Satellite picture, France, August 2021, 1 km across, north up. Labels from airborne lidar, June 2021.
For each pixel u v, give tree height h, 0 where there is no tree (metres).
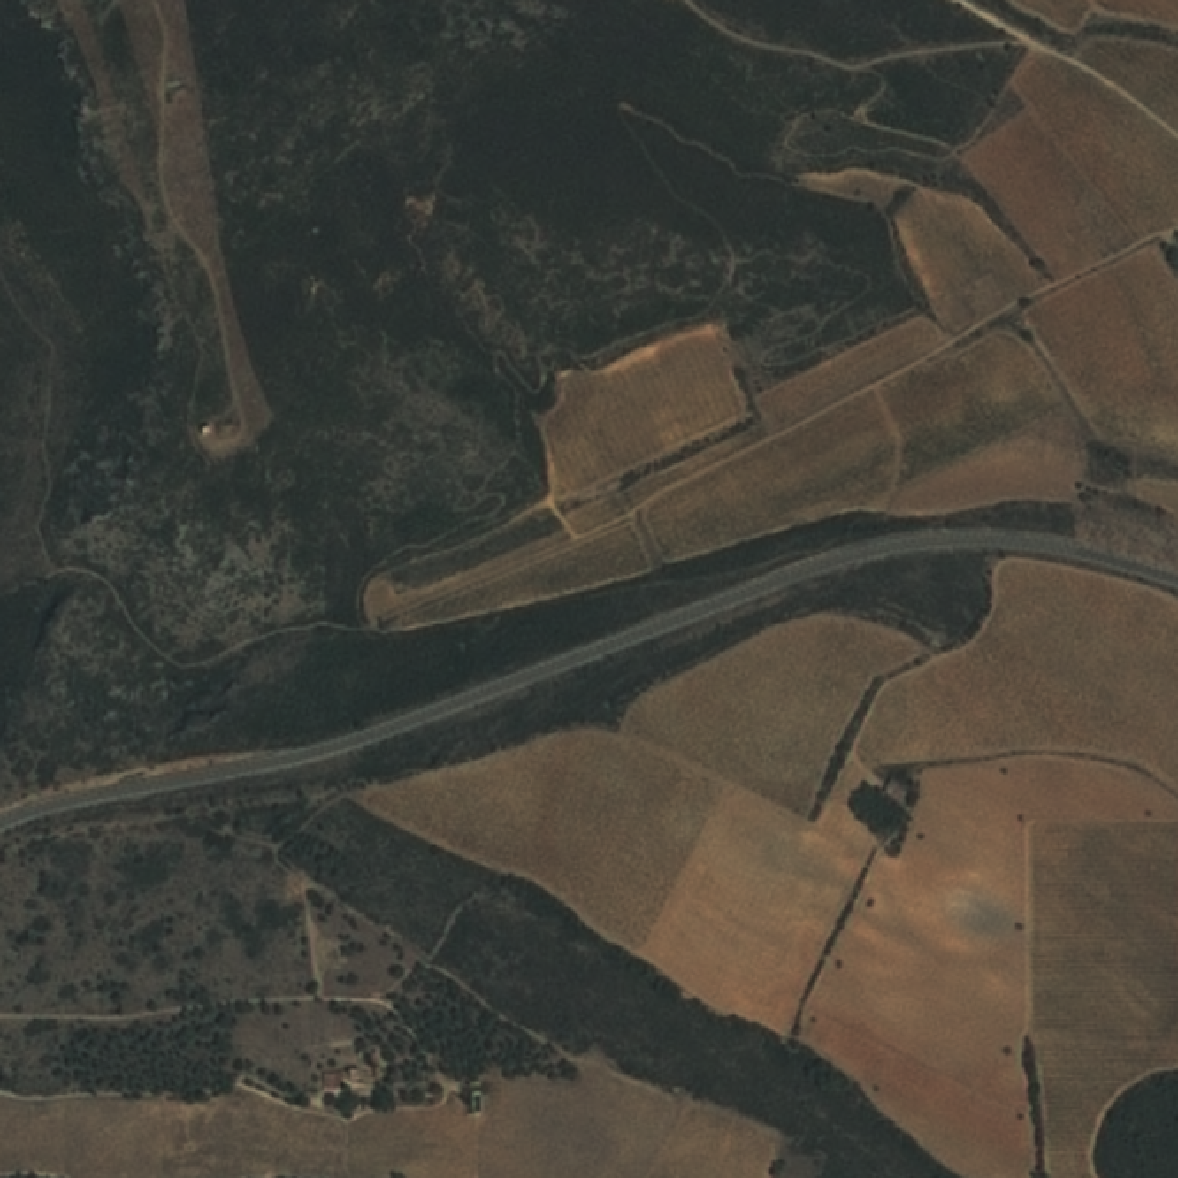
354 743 0
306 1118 0
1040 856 0
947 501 0
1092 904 0
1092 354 0
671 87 0
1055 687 0
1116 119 0
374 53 0
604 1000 0
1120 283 0
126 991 8
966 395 0
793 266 0
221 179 0
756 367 0
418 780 0
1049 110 0
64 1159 0
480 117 0
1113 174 0
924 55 0
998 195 0
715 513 0
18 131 0
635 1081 0
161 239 0
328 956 0
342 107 0
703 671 0
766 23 0
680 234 0
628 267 0
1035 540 0
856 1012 0
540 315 0
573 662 0
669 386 0
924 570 0
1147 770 0
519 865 0
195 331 0
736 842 0
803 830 0
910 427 0
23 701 0
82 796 0
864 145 0
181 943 0
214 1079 13
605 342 0
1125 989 0
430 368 0
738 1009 0
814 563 0
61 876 0
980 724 0
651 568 0
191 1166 0
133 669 0
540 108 0
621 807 0
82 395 0
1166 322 0
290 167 0
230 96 0
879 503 0
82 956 0
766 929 0
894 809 11
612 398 0
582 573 0
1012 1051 0
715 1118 0
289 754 0
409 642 0
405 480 0
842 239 0
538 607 0
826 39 0
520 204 0
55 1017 0
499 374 0
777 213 0
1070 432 0
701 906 0
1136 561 0
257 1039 0
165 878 0
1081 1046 0
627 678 0
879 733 0
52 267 0
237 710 0
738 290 0
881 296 0
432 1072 12
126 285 0
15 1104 0
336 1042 0
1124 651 0
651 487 0
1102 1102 0
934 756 0
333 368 0
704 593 0
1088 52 0
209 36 0
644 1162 0
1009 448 0
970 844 0
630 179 0
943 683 0
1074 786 0
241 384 0
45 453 0
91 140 0
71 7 0
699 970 0
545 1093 0
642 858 0
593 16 0
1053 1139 0
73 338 0
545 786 0
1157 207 0
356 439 0
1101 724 0
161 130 0
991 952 0
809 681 0
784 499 0
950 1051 0
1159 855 0
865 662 0
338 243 0
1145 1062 0
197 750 0
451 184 0
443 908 0
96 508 0
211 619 0
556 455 0
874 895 0
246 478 0
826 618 0
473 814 0
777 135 0
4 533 0
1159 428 0
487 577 0
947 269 0
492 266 0
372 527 0
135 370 0
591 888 0
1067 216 0
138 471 0
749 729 0
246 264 0
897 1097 0
